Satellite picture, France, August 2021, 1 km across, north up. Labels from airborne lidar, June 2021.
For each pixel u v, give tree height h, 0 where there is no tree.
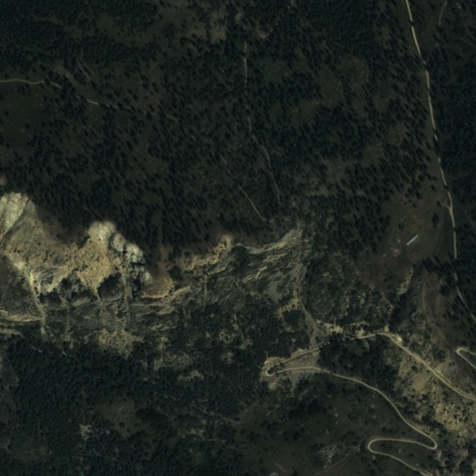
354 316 11
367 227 25
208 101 8
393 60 26
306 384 15
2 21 9
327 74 0
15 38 10
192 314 11
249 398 8
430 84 0
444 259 0
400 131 0
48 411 20
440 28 0
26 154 0
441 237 0
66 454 14
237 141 0
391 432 12
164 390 16
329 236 8
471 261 17
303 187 14
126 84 0
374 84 23
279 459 0
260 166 0
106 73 0
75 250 0
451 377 0
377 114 21
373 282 0
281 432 0
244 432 9
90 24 8
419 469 0
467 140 7
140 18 11
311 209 15
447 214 0
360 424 0
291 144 6
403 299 13
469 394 0
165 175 0
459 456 0
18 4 10
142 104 0
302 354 0
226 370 16
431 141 0
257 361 14
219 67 9
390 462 0
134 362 15
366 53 12
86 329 9
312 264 13
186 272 13
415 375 0
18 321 0
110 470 23
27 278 0
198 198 0
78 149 0
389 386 6
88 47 13
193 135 18
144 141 0
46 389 17
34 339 11
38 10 8
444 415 0
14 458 7
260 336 7
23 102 0
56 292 6
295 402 6
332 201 21
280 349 11
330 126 28
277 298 0
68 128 25
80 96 0
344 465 0
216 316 17
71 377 20
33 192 14
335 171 0
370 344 20
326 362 19
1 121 14
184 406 10
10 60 12
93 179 0
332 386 12
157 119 0
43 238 0
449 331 0
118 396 15
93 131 0
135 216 24
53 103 16
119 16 8
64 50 9
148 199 0
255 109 24
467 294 19
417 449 0
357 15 11
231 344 8
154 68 0
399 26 29
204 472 11
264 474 8
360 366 10
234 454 8
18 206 0
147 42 0
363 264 0
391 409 7
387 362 0
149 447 15
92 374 20
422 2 0
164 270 0
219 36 0
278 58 24
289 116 6
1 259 0
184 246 14
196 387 15
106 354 12
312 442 0
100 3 9
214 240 0
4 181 0
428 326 0
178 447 15
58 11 12
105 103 0
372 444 0
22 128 0
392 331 14
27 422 15
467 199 6
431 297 0
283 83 0
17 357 16
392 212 0
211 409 9
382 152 0
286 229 7
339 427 0
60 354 10
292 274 0
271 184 24
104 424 10
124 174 27
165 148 18
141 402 15
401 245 0
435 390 0
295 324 13
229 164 0
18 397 18
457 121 8
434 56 0
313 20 13
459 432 0
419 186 17
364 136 25
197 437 9
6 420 0
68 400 19
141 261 0
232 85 13
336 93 0
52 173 27
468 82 5
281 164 10
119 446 22
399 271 0
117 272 6
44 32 9
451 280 24
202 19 10
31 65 12
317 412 9
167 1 0
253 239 0
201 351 11
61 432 14
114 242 0
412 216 0
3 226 0
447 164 25
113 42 7
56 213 8
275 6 9
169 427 6
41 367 16
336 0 12
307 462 0
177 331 13
